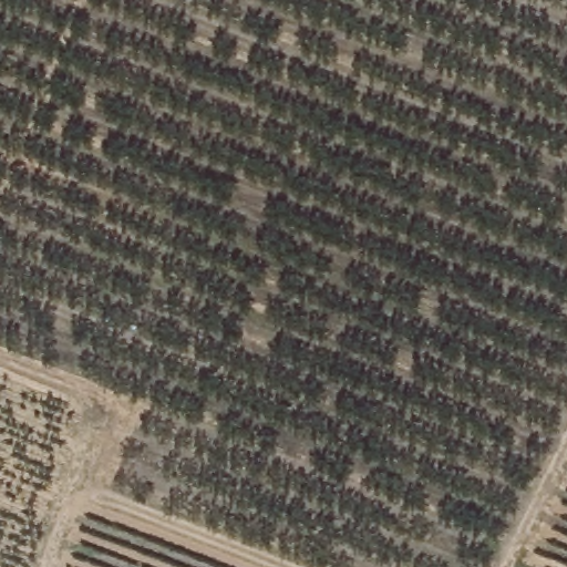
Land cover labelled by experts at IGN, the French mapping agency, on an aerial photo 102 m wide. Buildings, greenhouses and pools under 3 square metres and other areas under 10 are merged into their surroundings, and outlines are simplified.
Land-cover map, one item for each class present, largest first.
<instances>
[{"label":"deciduous trees","instance_id":"1","mask_svg":"<svg viewBox=\"0 0 567 567\"><path fill-rule=\"evenodd\" d=\"M527 0H0V346L16 354L40 359L47 365L78 372L113 390L115 394H128L135 401H151L148 410L140 419V427L133 432L131 439L124 441L120 470L113 478V489L122 496L135 498L137 503H146L153 509H162L164 514L186 518L197 525H206L213 532L228 534L230 538H239L246 545L264 547L270 554H279L306 567H492L494 556L501 551V536L509 529L507 514L518 512L516 494L520 489H527L529 481H534L540 474L547 454L558 443L560 414L567 410V31L560 24L549 22L545 9L536 16L534 7L525 4ZM186 7H206L208 16H215L219 20V29L213 38V49L206 55L188 51V40L195 38V20L188 22L184 18ZM233 24L255 35V44L250 47L248 60L241 66L230 64V58L237 51V40L228 33ZM423 29L432 31V38L423 47V60L419 69L396 64L399 53L408 44V33H419ZM279 33L297 35V42L301 47L297 58L270 49V42L279 38ZM22 410H27L29 403L42 405V410L33 412L38 419H44V432H40L27 423L16 421L11 399L7 401V405H0V567H33L38 563V543L44 536L42 523L35 520V501L42 489L51 485V474L55 467L53 447L64 445V441L60 439V423L66 425L69 419H73V410L62 399L51 394H40L33 390L20 392ZM93 405L84 410L86 423L115 416L113 410H106L97 399H91Z\"/></svg>","mask_w":567,"mask_h":567},{"label":"plowed land","instance_id":"2","mask_svg":"<svg viewBox=\"0 0 567 567\"><path fill-rule=\"evenodd\" d=\"M525 4L534 7L536 16L545 9L549 22L560 24L567 31V0H527ZM184 18L188 22L195 20V38L188 40V51L206 55L213 49V38L219 29V20L215 16H208L206 7H186ZM228 33L237 40V51L230 58V64L241 66L248 60L250 47L255 44V35L233 24ZM432 38V31L423 29L419 33H408V44L399 53L396 64L419 69L423 60V47ZM270 49L297 58L301 47L297 42V35L279 33V38L270 42ZM33 390L40 394H51L62 399L73 410V419H69L66 425L60 423V439L64 441V445L53 447L55 467L51 474V485L42 489L35 501V520L42 523L44 536L53 529V520L62 505V496L80 494L84 489H113V478L120 470L124 441L131 439L133 432L140 427V419L148 410L151 401H135L128 394H115L113 390L78 372L47 365L40 359L16 354L0 346V405H7V401L11 399L16 421L27 423L40 432H44V419H38L33 412L42 410V405L29 403L27 410H22L20 392ZM91 399H97L106 410H113L115 416L86 423L84 410L93 405ZM558 443L547 454L540 474L534 481H529L527 489H520L516 494L518 512L507 514L509 529L501 536V551L494 556L492 567H529L527 558L536 554V547L543 540H547L554 532L551 525L565 507L560 501L563 492L567 489V410L560 414Z\"/></svg>","mask_w":567,"mask_h":567},{"label":"pervious surface","instance_id":"3","mask_svg":"<svg viewBox=\"0 0 567 567\"><path fill-rule=\"evenodd\" d=\"M89 512L162 536L171 543L202 551L235 567H306L279 554H270L264 547L246 545L239 538H230L228 534L213 532L206 525H197L186 518L164 514L162 509H153L146 503H137L135 498L122 496L113 489H84L80 494L62 496V505L53 520V529L44 536L38 543V563L33 567H66L69 558L75 554V545L80 543V516Z\"/></svg>","mask_w":567,"mask_h":567},{"label":"vineyard","instance_id":"4","mask_svg":"<svg viewBox=\"0 0 567 567\"><path fill-rule=\"evenodd\" d=\"M565 507L551 525L554 532L547 540H543L536 547V554L527 558L529 567H567V489L563 492L560 501ZM80 543L75 545V554L69 558L66 567H235L202 551L171 543L162 536L89 512L80 516Z\"/></svg>","mask_w":567,"mask_h":567}]
</instances>
